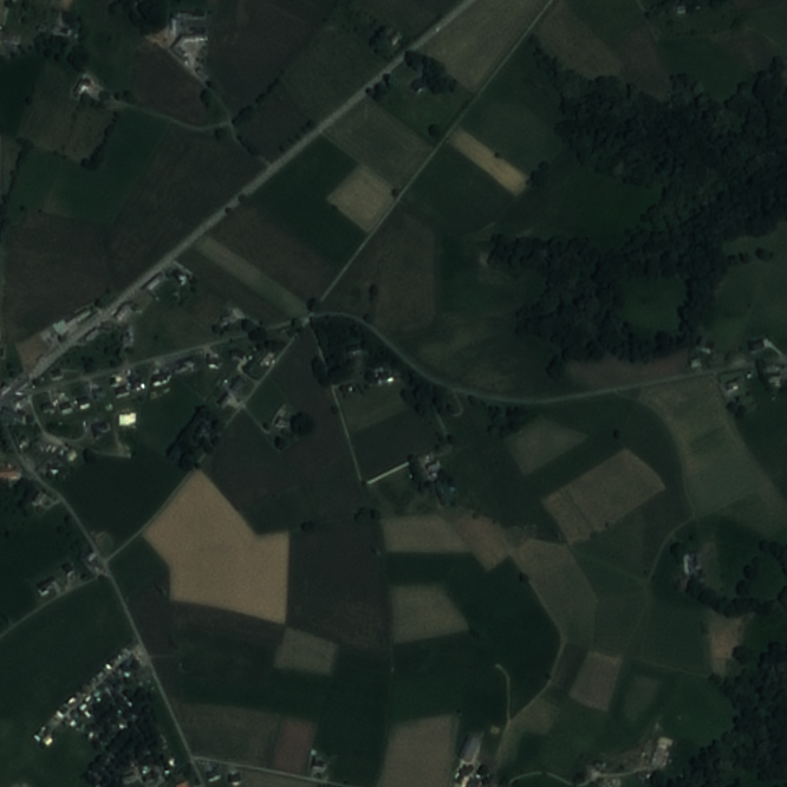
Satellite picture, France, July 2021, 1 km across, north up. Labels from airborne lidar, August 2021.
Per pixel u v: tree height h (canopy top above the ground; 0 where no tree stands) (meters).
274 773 0
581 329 27
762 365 15
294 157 0
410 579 0
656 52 0
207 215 0
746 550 0
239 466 0
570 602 0
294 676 0
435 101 0
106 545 0
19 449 6
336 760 0
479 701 0
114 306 0
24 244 0
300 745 0
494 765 0
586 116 22
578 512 0
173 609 0
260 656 0
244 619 0
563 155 0
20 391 0
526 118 0
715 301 10
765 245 0
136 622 0
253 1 0
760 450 0
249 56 0
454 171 0
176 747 0
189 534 0
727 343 0
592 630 0
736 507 0
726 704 0
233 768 0
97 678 7
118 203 0
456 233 0
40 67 0
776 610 19
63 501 0
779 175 32
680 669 0
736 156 19
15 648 0
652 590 0
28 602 0
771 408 0
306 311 0
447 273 0
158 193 0
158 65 0
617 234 0
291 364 0
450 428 0
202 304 0
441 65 23
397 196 9
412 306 0
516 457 0
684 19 0
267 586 0
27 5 13
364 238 0
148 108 0
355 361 10
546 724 0
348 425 0
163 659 0
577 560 0
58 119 0
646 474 0
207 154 0
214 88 19
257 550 0
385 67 0
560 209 0
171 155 0
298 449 0
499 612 0
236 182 0
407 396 17
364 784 0
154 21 22
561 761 0
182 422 0
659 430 0
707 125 25
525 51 0
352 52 0
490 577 0
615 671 0
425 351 0
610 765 0
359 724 0
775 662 27
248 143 17
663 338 17
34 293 0
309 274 0
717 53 0
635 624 0
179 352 0
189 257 0
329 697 0
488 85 0
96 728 12
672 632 0
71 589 0
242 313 0
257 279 0
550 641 0
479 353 0
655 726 0
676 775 0
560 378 10
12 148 0
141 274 0
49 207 0
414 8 0
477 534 0
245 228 0
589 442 0
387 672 0
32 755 0
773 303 0
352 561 0
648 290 0
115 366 11
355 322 11
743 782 19
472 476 0
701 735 0
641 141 28
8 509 6
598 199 0
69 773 0
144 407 0
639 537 0
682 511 0
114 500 0
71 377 0
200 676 0
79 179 0
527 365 0
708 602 19
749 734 21
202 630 0
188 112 0
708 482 0
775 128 23
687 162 30
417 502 0
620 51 0
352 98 0
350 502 0
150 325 0
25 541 0
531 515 0
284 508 0
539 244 18
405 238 0
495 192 0
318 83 0
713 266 27
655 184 17
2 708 0
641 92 15
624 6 0
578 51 0
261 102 11
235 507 0
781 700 23
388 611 0
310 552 0
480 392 0
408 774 0
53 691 0
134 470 0
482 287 0
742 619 12
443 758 0
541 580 0
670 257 21
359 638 0
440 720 0
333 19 0
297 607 0
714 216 22
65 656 0
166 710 0
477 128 0
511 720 0
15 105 0
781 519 0
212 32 0
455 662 0
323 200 0
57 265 0
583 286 21
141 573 0
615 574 0
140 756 14
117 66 0
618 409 0
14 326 0
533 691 0
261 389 0
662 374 0
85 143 0
